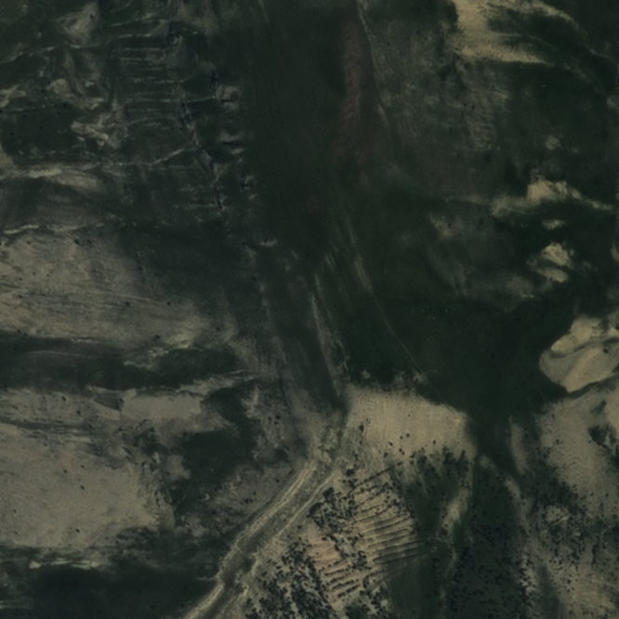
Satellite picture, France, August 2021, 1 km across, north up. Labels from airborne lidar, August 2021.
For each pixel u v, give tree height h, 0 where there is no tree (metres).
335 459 0
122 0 0
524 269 0
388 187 0
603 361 0
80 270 0
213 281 0
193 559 0
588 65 0
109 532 0
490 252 0
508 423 0
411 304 0
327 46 0
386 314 0
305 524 0
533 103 0
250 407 0
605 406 0
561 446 0
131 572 0
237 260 0
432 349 0
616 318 0
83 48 0
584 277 0
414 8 0
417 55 0
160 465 0
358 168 0
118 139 0
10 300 0
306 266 0
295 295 0
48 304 0
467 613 0
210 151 0
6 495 0
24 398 0
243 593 0
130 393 0
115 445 0
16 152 0
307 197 0
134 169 0
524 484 0
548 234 0
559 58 0
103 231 0
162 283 0
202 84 0
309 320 0
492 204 0
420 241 0
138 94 0
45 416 0
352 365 0
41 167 0
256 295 0
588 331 0
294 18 0
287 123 0
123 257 0
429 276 0
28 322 0
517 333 0
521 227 0
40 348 0
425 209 0
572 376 0
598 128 0
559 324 0
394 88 0
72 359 0
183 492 0
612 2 0
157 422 0
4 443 0
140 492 0
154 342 0
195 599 0
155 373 0
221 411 0
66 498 0
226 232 0
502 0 0
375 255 0
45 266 0
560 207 0
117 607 0
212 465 0
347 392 0
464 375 0
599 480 0
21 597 0
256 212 0
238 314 0
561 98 0
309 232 0
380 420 0
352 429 0
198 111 0
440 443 0
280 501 0
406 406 0
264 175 0
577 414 0
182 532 0
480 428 0
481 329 0
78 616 0
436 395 0
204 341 0
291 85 0
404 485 0
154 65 0
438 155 0
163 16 0
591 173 0
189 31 0
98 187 0
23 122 0
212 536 0
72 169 0
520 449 0
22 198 0
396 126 0
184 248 0
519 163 0
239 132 0
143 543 0
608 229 0
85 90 0
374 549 0
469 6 0
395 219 0
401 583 0
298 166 0
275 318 0
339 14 0
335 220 0
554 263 0
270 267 0
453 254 0
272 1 0
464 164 0
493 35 0
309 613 7
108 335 0
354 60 0
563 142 0
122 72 0
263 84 0
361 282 0
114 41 0
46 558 0
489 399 0
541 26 0
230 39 0
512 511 0
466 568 8
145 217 0
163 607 0
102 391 0
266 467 0
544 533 0
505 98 0
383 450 0
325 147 0
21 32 0
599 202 0
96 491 0
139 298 0
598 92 0
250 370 0
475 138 0
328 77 0
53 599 0
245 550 0
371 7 0
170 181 0
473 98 0
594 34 0
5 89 0
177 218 0
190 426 0
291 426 0
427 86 0
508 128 0
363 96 0
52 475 0
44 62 0
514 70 0
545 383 0
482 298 0
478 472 0
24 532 0
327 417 0
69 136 0
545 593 0
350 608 10
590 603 0
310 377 0
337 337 0
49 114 0
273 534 0
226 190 0
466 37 0
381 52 0
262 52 0
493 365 0
